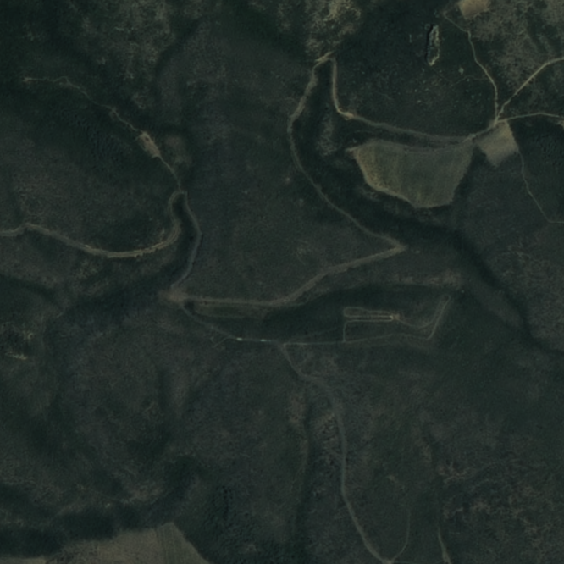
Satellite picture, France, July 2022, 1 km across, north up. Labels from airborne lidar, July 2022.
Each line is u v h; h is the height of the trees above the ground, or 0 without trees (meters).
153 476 6
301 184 7
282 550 11
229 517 12
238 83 0
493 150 0
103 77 8
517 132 6
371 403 0
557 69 0
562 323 0
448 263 0
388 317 0
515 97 6
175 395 0
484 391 0
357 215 7
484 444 0
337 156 6
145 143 0
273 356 0
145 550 0
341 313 0
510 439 0
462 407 0
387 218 6
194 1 0
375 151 0
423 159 0
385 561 0
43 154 0
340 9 0
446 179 0
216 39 0
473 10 0
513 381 0
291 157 6
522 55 0
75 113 8
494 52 0
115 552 0
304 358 0
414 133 0
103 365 0
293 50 8
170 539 0
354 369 0
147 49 0
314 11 0
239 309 0
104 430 0
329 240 0
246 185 0
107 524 7
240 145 0
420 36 0
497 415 0
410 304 0
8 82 9
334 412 0
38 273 0
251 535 8
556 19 0
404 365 0
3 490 6
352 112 0
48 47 6
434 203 0
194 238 7
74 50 6
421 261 0
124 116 6
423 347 0
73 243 0
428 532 0
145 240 6
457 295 6
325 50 6
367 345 0
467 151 0
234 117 0
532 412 0
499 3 0
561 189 6
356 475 0
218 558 7
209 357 0
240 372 0
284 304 0
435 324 0
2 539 6
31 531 6
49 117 6
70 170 0
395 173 0
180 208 6
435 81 0
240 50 0
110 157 12
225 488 12
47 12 8
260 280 0
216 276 0
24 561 0
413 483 0
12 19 6
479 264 5
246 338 0
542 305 0
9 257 0
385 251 0
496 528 0
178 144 0
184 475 6
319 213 5
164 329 0
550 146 12
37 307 0
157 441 7
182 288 0
